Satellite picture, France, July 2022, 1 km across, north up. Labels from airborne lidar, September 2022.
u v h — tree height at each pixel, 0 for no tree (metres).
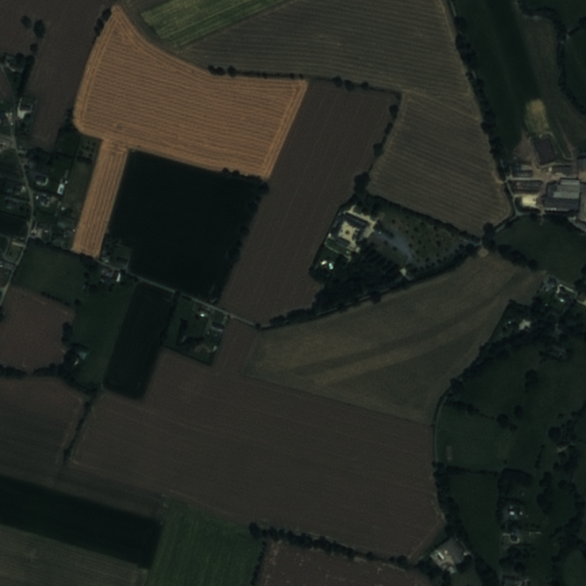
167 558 0
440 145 0
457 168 0
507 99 0
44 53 0
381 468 0
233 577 0
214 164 0
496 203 0
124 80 0
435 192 0
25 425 0
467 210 0
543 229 0
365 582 0
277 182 0
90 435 0
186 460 0
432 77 0
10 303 0
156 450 0
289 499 0
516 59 0
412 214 10
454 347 0
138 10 0
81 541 0
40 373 8
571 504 0
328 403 0
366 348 0
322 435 0
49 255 0
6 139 0
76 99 0
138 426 0
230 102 0
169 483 0
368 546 0
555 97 0
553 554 0
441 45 0
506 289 0
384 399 0
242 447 0
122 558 0
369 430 0
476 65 13
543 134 0
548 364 0
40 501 0
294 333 0
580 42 0
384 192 0
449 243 0
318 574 0
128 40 0
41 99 0
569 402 0
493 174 0
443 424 0
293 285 0
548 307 7
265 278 0
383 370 0
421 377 0
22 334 0
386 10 0
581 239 0
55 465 0
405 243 0
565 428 8
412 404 0
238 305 0
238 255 19
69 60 0
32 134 0
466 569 13
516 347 23
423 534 0
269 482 0
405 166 0
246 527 0
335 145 0
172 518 0
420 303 0
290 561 0
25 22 19
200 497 0
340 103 0
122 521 0
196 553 0
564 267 0
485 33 0
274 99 0
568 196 0
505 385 0
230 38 0
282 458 0
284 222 0
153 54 0
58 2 0
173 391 0
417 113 0
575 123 0
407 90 0
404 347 0
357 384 0
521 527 7
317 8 0
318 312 16
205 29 0
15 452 0
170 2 0
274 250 0
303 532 0
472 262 0
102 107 0
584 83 0
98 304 0
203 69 0
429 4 0
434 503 0
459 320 0
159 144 0
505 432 0
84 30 0
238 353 0
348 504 0
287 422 0
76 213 0
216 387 0
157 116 0
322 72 0
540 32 0
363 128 0
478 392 0
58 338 0
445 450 0
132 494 0
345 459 0
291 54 0
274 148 0
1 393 0
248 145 0
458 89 0
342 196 0
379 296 16
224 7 0
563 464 7
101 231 0
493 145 15
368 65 0
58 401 0
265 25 0
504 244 0
